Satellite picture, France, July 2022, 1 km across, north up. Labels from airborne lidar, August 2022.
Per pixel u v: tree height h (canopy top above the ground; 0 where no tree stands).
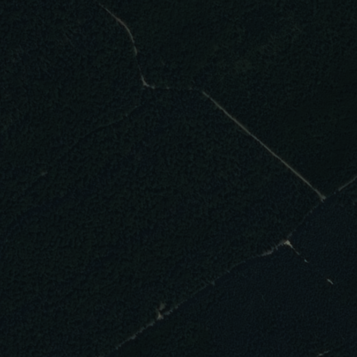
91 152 27
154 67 19
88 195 28
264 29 19
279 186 20
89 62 29
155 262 21
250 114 11
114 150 27
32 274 28
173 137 28
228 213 17
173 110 31
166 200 25
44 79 28
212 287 23
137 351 16
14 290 29
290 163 6
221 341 21
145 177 25
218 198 21
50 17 26
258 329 19
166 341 12
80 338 25
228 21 18
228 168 24
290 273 25
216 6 13
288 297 26
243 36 7
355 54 11
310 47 12
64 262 25
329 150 11
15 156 23
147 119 27
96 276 25
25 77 31
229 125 22
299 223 13
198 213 23
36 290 28
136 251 24
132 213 21
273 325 16
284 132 14
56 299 24
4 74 29
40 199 16
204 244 23
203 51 20
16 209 25
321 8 17
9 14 28
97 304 27
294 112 12
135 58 15
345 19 15
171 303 21
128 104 26
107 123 21
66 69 29
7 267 27
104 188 26
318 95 15
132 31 12
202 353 17
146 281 19
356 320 18
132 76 20
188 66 25
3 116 30
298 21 7
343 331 21
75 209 26
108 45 18
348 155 10
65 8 29
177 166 24
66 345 28
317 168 13
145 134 15
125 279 16
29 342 24
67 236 29
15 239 25
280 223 22
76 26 30
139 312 22
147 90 25
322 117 6
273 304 22
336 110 9
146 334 13
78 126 27
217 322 14
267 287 22
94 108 26
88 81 25
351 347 25
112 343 17
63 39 31
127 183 27
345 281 23
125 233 33
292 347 22
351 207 16
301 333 27
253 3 18
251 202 12
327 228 22
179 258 16
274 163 20
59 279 26
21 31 28
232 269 14
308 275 23
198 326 11
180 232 20
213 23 20
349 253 26
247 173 23
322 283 18
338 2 8
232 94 7
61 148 25
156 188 9
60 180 26
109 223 22
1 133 9
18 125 27
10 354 25
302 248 29
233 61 7
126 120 27
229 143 25
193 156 14
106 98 26
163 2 14
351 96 8
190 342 8
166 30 14
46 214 27
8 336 28
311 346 18
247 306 20
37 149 21
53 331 33
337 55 13
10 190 11
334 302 25
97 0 22
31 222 27
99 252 30
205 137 25
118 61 24
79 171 27
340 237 29
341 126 7
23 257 26
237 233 23
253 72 8
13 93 28
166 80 27
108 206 25
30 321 27
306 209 9
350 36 8
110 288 22
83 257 26
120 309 21
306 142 6
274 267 28
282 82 8
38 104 7
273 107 22
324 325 24
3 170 22
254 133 11
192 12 11
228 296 17
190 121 26
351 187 8
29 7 30
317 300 25
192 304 23
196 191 25
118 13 15
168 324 13
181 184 23
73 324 24
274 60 19
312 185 15
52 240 27
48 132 18
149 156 25
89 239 28
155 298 22
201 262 25
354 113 7
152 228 7
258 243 15
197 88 16
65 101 24
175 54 22
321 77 11
